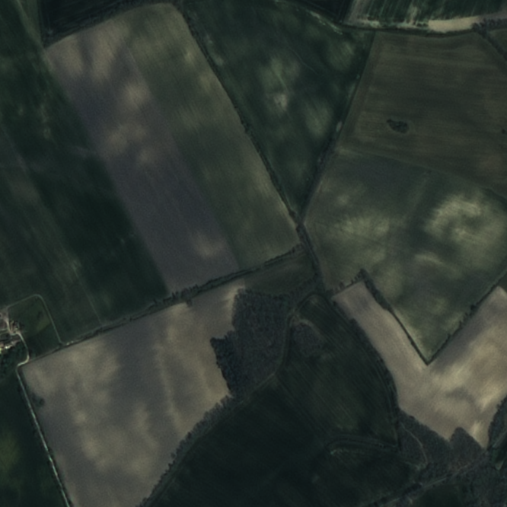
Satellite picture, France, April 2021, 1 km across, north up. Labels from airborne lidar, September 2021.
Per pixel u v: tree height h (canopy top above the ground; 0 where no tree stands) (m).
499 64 0
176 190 0
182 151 0
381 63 0
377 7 0
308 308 0
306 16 0
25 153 0
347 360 0
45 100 0
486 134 0
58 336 0
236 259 0
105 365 0
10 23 0
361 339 12
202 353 0
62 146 0
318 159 0
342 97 0
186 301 11
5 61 0
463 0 0
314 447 0
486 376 0
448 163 0
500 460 0
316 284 16
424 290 0
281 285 0
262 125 0
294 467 0
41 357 0
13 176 0
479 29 18
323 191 0
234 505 0
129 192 0
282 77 0
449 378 0
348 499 0
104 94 0
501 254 0
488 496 10
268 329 16
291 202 0
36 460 0
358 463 0
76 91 0
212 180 0
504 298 0
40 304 0
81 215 0
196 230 0
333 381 0
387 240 0
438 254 0
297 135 0
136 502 0
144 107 0
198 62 0
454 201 0
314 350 14
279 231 0
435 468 9
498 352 0
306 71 0
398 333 0
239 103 0
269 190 0
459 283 0
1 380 12
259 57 0
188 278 0
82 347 0
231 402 17
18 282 0
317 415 0
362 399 0
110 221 0
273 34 0
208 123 0
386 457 0
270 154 0
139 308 0
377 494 0
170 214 0
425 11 0
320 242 0
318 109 0
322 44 0
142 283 0
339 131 0
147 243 0
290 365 0
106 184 0
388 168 0
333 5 0
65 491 10
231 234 0
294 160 0
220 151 0
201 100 0
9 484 0
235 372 23
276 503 0
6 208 0
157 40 0
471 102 0
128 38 0
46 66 0
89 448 0
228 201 0
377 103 0
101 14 9
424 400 0
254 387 16
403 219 0
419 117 0
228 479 0
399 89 0
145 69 0
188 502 0
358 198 0
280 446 0
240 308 16
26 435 0
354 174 0
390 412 0
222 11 0
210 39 0
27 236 0
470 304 0
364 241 0
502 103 0
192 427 0
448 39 0
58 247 0
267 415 0
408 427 17
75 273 0
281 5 0
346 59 0
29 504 0
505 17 0
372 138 0
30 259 0
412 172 0
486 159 0
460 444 19
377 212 0
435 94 0
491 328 0
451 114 0
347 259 0
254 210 0
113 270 0
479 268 0
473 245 0
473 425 0
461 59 0
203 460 0
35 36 0
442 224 0
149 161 0
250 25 0
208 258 0
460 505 0
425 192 0
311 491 0
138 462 0
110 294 0
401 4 0
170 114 0
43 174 0
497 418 12
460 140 0
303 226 10
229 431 0
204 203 0
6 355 0
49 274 0
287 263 0
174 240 0
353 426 0
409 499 17
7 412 0
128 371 0
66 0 0
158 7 0
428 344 0
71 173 0
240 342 18
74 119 0
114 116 0
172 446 0
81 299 0
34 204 0
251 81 0
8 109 0
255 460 0
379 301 16
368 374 0
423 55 0
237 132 0
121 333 0
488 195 0
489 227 0
